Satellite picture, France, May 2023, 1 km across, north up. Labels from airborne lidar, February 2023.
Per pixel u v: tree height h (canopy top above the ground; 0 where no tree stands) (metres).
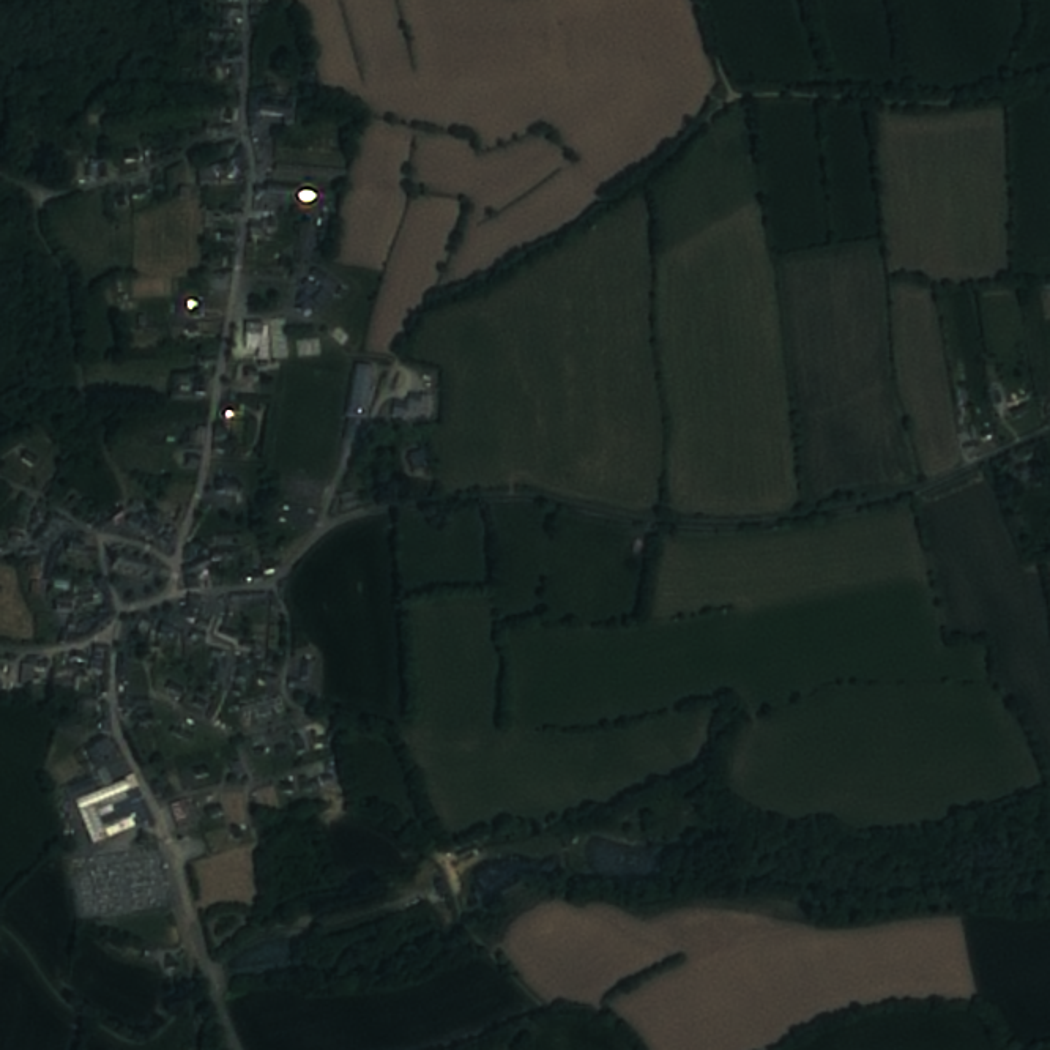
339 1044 0
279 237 0
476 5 0
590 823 16
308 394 0
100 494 0
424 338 0
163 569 0
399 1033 0
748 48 0
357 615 0
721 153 0
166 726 0
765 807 0
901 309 0
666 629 0
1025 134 0
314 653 0
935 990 0
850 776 0
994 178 0
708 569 0
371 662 0
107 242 0
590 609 0
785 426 0
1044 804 16
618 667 0
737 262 0
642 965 0
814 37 9
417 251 0
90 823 0
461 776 0
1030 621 0
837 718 0
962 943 0
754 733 0
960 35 0
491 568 15
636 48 0
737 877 11
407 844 14
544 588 13
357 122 13
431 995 0
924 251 0
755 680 0
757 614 0
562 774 0
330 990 17
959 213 0
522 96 0
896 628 0
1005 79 11
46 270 9
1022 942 0
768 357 0
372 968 15
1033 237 0
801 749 0
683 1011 0
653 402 0
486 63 0
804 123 0
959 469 0
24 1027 0
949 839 18
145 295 0
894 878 6
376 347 0
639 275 0
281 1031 0
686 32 0
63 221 0
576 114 0
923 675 0
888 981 0
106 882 0
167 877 0
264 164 0
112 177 0
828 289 0
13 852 0
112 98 16
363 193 0
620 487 0
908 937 0
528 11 0
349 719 9
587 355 0
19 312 11
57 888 0
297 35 7
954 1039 0
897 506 6
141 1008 0
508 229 0
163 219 0
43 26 12
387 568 0
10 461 0
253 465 0
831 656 0
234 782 10
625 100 0
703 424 0
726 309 0
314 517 0
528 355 0
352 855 0
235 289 0
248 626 6
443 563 0
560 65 0
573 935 0
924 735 0
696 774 17
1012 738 0
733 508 0
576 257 0
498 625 8
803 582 0
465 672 0
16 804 0
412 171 12
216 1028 8
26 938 0
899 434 0
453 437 0
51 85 16
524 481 0
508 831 21
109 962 0
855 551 0
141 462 0
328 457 0
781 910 0
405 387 0
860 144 0
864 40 0
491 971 0
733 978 0
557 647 0
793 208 0
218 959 8
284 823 11
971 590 0
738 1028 0
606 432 0
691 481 0
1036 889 15
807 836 19
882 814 0
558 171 0
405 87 0
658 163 11
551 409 0
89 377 0
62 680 0
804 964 0
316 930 13
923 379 0
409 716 18
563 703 0
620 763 0
